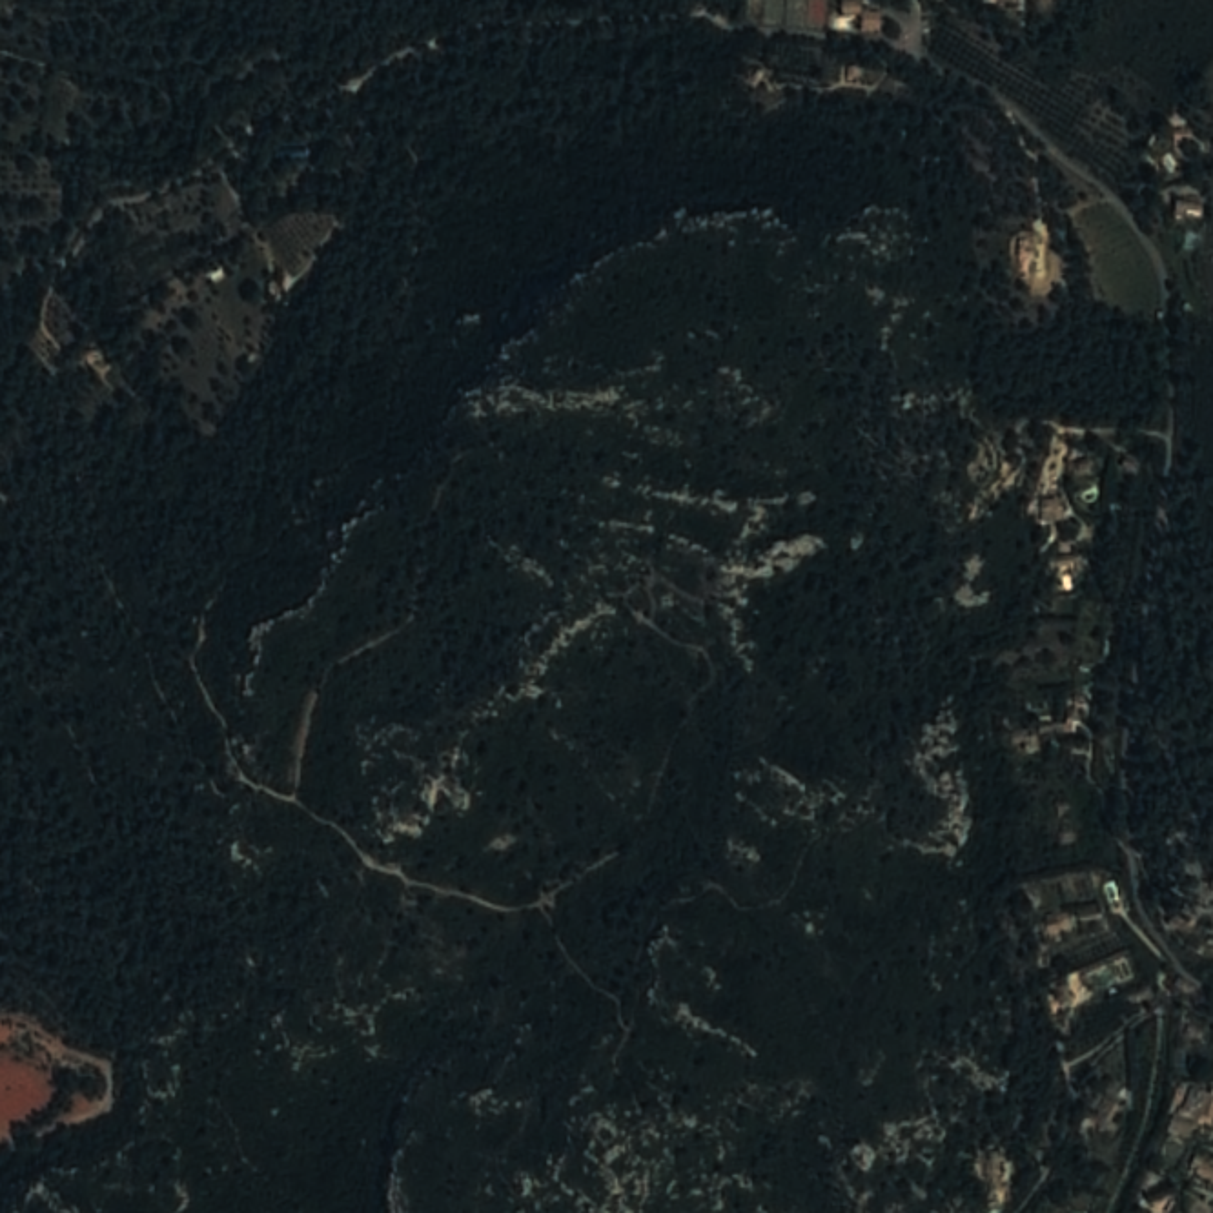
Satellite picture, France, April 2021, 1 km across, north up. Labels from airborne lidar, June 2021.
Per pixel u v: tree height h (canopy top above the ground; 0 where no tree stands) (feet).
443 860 31
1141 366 78
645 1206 0
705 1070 32
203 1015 35
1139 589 21
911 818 26
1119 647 37
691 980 0
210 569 49
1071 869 24
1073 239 36
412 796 0
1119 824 78
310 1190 19
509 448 21
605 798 0
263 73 45
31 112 57
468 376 26
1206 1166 0
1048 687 27
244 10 39
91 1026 46
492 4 48
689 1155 33
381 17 54
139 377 20
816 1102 27
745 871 24
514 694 39
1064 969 25
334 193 43
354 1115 18
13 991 25
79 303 59
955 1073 43
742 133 47
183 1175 20
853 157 35
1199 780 37
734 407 22
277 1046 20
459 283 22
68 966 46
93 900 39
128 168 44
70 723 36
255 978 32
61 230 24
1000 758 19
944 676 24
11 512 29
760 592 19
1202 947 27
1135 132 31
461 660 32
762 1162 33
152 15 39
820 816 24
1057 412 49
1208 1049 45
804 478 22
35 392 51
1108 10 28
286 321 19
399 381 18
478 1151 0
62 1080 39
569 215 26
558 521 32
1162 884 26
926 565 46
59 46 45
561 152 21
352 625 35
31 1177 24
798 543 0
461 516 43
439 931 0
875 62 55
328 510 30
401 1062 21
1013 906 39
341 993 0
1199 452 50
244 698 22
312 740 18
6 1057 0
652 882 18
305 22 36
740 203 24
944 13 20
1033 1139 64
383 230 26
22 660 36
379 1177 19
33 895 45
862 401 32
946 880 23
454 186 49
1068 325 47
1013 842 23
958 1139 26
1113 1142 44
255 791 19
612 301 28
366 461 23
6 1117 0
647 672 31
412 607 31
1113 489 22
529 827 23
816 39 21
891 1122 0
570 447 23
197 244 27
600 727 34
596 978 18
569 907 23
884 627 25
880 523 37
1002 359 51
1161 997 36
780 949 19
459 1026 21
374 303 50
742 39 35
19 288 26
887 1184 26
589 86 57
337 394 39
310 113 40
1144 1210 33
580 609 0
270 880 17
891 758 31
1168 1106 26
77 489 50
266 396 42
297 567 21
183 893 41
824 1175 24
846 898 24
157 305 24
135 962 44
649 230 21
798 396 0
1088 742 52
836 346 52
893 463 23
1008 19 53
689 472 43
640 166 25
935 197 35
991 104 38
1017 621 64
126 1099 20
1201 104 49
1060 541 22
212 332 0
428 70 26
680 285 20
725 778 24
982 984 40
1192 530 41
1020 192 32
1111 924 37
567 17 59
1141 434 27
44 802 41
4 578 35
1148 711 41
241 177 43
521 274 23
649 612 19
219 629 20
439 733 20
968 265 28
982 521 23
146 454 32
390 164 38
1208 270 0
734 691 18
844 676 44
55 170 18
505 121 35
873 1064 0
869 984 19
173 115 21
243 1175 26
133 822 32
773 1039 20
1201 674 26
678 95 39
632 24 51
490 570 33
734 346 25
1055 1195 58
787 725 30
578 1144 24
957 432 38
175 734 26
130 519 20
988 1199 32
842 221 22
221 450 21
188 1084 29
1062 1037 22
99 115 46
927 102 27
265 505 21
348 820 28
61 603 37
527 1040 0
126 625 22
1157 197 52
